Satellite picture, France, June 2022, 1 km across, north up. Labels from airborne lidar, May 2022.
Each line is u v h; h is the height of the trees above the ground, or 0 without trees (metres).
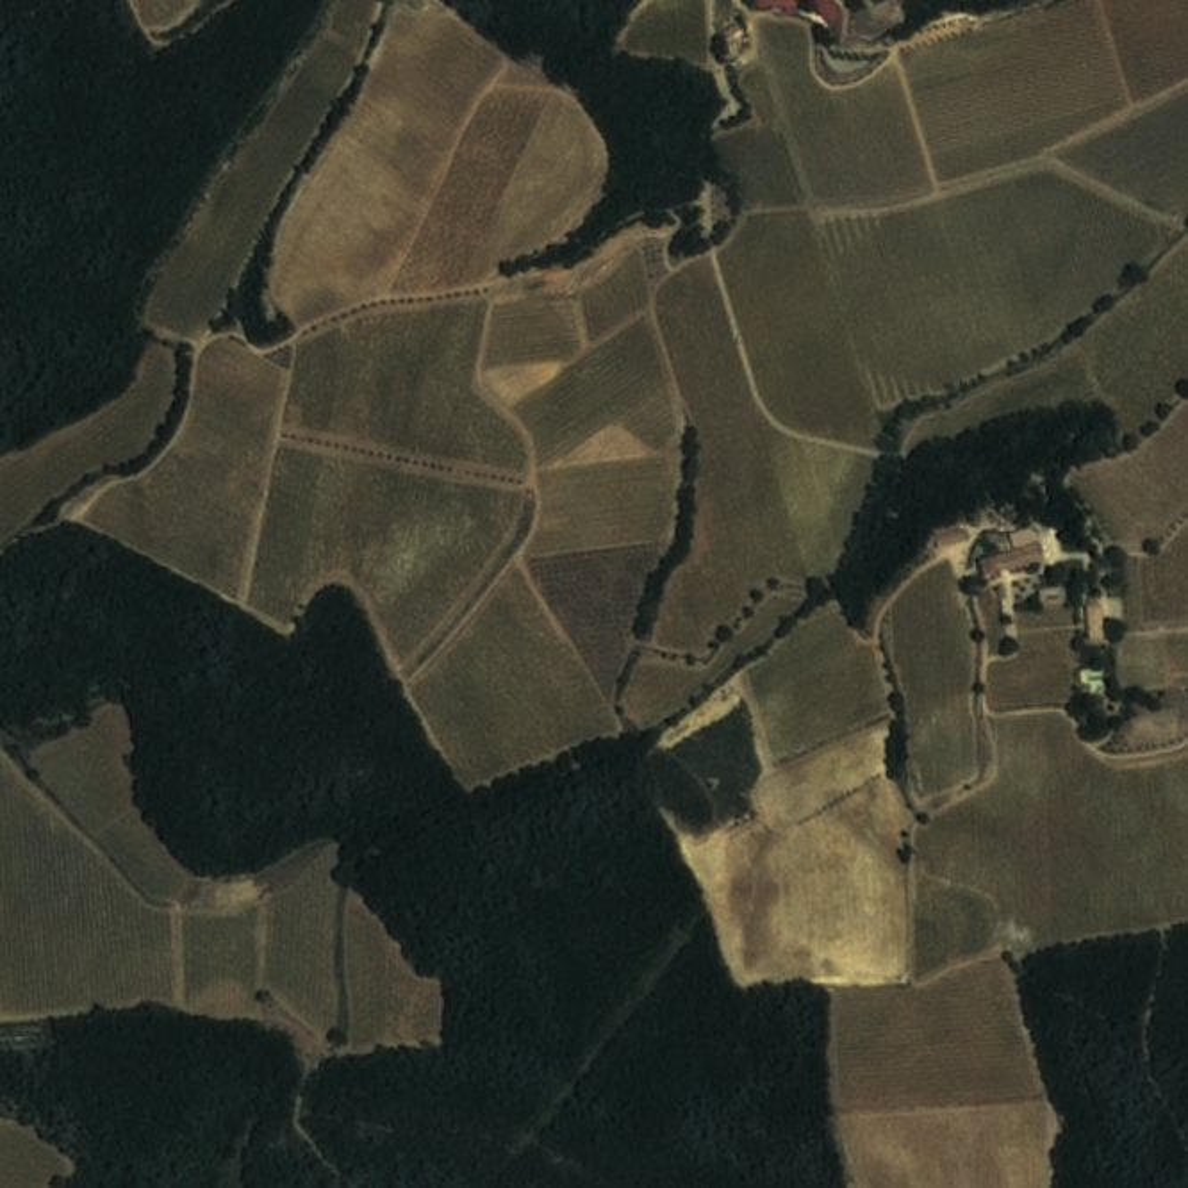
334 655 8
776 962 0
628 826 11
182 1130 10
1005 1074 0
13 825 0
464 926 7
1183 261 0
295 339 0
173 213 13
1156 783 0
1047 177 0
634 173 11
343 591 9
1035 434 17
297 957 0
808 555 0
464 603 0
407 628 0
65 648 14
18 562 6
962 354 0
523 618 0
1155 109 0
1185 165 0
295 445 0
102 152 9
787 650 0
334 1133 7
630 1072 11
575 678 0
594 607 0
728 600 0
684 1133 17
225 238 0
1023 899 0
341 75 0
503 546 0
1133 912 0
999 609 0
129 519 0
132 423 0
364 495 0
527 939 7
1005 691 0
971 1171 0
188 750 10
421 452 0
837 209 0
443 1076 12
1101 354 0
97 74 9
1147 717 0
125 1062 11
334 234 0
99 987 0
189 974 0
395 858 16
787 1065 9
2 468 0
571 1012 10
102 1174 10
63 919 0
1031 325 0
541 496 0
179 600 10
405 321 0
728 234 11
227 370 0
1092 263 0
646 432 0
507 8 11
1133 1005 10
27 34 7
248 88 12
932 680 0
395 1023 0
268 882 0
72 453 0
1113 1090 16
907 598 0
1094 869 0
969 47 0
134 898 0
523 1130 5
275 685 12
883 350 0
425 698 0
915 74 0
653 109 11
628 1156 8
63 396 10
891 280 0
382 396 0
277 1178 8
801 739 0
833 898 0
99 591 10
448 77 0
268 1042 16
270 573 0
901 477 12
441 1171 7
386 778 7
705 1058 9
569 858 9
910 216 0
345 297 0
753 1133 19
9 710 12
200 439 0
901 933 0
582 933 7
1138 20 0
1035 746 0
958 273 0
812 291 0
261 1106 11
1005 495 15
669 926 11
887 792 0
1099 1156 17
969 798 0
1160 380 0
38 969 0
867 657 0
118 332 14
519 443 0
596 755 13
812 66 0
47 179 10
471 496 0
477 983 9
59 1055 14
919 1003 0
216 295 0
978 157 0
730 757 0
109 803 0
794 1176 15
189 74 9
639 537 0
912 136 0
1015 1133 0
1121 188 0
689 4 0
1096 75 0
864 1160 0
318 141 11
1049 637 0
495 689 0
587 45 11
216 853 13
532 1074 17
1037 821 0
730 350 0
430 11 0
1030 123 0
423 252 0
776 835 0
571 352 0
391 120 0
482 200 0
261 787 12
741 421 0
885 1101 0
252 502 0
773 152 0
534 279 0
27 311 8
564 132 0
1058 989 11
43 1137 12
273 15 10
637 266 0
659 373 0
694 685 0
